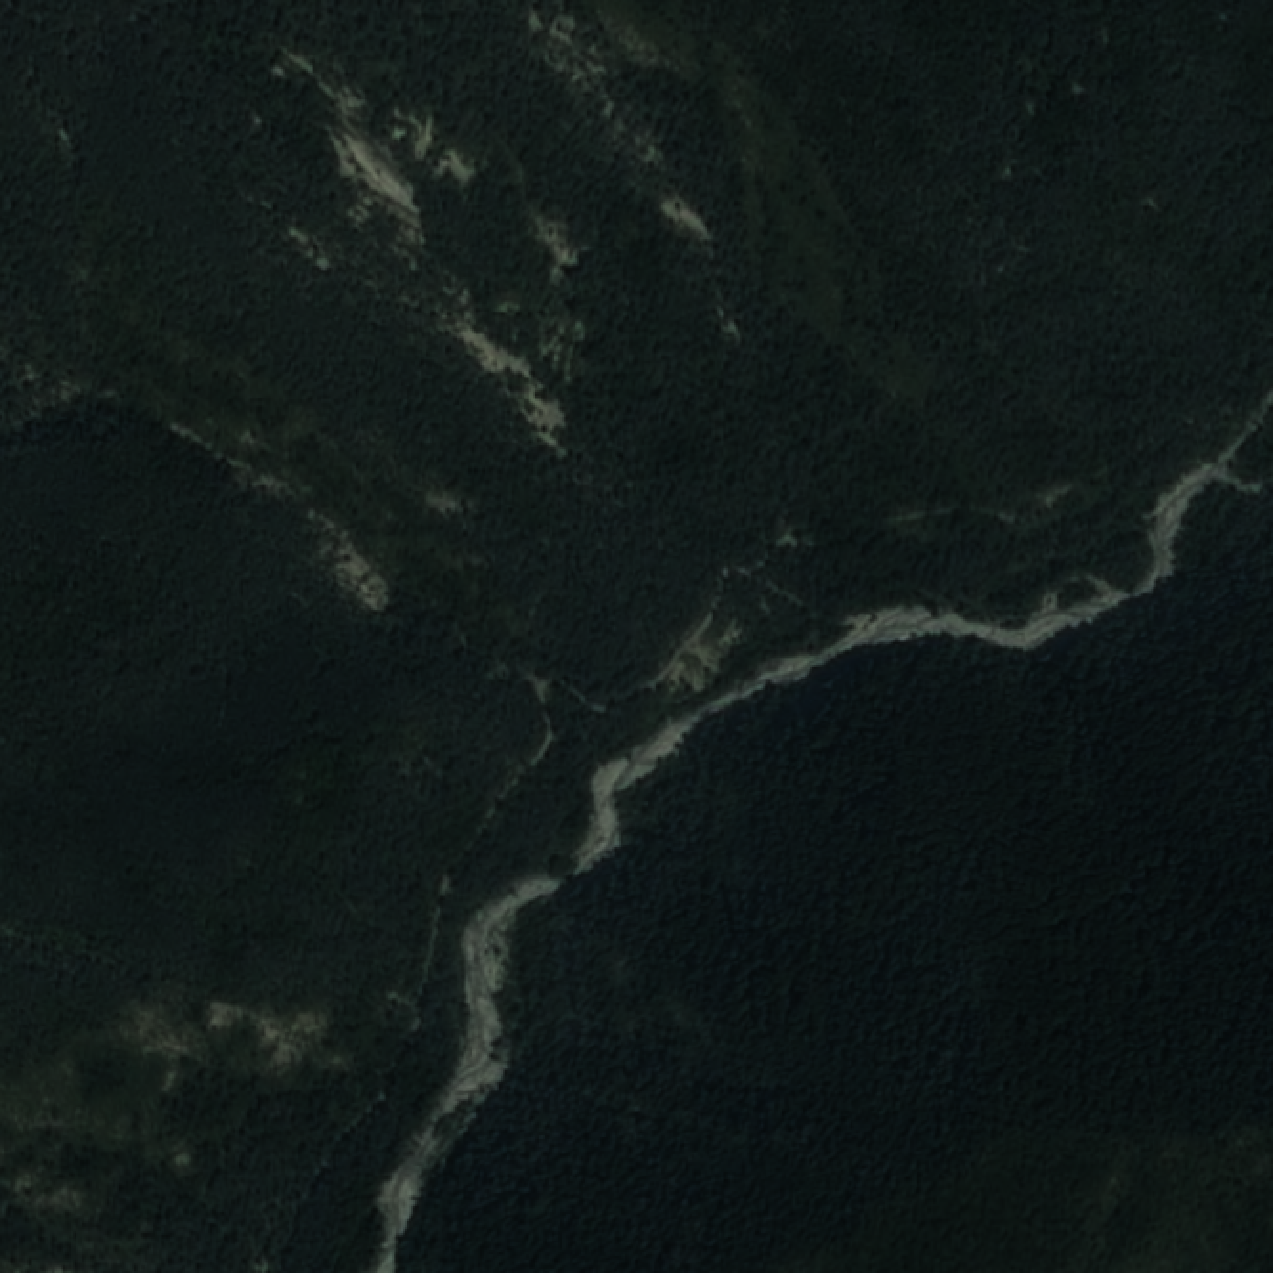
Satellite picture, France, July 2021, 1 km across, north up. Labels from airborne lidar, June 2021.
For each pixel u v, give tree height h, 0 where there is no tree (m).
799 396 14
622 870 13
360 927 11
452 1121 8
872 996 13
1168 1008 25
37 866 11
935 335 13
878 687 9
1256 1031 18
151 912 14
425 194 8
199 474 18
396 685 14
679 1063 11
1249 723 21
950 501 16
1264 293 19
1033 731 23
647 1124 11
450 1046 15
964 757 29
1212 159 15
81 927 9
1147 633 12
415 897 16
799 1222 11
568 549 12
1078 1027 24
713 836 6
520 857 12
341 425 10
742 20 8
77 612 11
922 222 12
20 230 12
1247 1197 6
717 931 15
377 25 11
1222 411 13
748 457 9
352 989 12
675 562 9
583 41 7
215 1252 17
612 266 9
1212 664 26
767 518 13
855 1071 8
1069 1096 18
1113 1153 6
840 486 12
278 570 11
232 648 15
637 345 9
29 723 12
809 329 10
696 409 10
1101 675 25
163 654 14
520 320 9
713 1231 13
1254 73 14
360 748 12
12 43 15
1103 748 28
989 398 14
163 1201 17
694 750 6
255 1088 15
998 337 12
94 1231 8
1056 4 15
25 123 12
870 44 13
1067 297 17
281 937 18
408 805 12
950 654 15
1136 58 9
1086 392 15
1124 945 35
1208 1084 20
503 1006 9
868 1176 11
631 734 13
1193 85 16
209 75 15
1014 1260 11
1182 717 23
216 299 13
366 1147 13
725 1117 6
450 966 12
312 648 16
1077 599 10
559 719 14
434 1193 9
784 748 9
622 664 7
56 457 18
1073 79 8
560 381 11
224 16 10
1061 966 30
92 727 12
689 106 13
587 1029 10
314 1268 17
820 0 12
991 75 14
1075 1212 7
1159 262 14
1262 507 15
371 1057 7
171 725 16
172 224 14
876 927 14
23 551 15
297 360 12
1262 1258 8
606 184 9
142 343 7
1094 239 12
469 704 14
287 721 21
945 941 15
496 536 8
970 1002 14
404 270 7
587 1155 12
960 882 13
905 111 11
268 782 17
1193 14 12
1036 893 28
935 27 11
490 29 9
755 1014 12
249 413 7
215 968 11
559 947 8
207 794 18
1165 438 8
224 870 13
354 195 8
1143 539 15
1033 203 14
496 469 9
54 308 10
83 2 13
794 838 12
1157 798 24
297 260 13
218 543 16
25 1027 12
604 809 0
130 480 16
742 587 12
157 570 9
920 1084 14
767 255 9
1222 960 28
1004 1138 7
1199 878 34
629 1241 14
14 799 12
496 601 8
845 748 21
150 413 11
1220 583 16
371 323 8
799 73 6
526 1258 10
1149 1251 6
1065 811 28
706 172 6
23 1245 11
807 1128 18
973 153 13
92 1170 9
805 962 24
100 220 8
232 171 9
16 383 6
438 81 9
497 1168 21
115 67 18
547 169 9
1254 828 23
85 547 14
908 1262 9
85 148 12
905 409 6
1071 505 11
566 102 7
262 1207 10
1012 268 13
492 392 11
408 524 7
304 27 8
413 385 10
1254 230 13
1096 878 34
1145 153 10
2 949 12
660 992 7
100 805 16
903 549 12
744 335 13
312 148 7
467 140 19
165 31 15
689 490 12
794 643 14
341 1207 14
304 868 11
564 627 15
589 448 8
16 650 11
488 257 10
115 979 7
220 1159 13
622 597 9
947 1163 9
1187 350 18
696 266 12
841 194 6
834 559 15
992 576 13
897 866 13
